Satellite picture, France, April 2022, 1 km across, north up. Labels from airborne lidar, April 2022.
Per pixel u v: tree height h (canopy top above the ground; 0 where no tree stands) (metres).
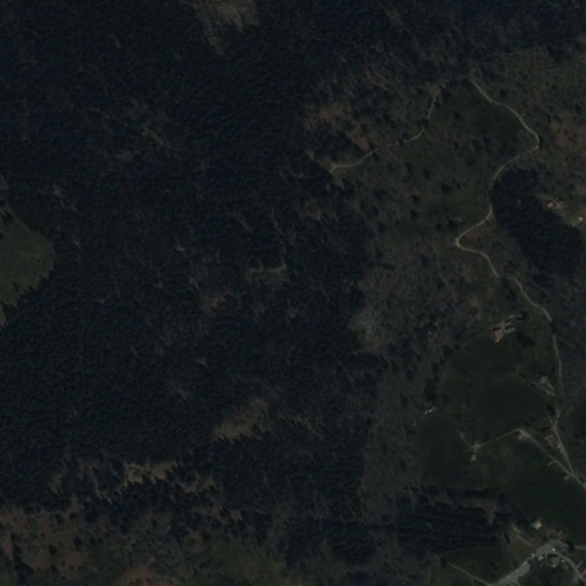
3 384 23
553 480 0
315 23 21
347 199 14
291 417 22
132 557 14
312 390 26
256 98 29
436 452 0
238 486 17
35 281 0
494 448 0
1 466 20
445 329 12
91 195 25
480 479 0
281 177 24
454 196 0
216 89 24
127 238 18
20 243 0
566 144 0
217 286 25
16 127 20
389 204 14
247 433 0
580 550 0
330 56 19
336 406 22
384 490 21
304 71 18
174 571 10
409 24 18
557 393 8
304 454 21
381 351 0
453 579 0
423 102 10
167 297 24
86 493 24
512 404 0
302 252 17
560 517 0
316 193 29
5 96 23
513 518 11
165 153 6
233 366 29
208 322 26
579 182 0
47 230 21
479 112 0
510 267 13
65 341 21
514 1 26
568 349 7
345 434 26
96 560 0
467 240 8
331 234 25
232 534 19
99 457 19
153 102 13
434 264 18
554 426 0
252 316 16
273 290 12
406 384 16
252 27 10
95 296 23
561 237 31
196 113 34
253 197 26
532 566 15
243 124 28
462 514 8
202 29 20
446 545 24
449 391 0
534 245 30
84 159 22
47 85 17
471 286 0
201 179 29
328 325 27
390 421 8
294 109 27
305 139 22
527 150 11
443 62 19
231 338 16
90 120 18
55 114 26
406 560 23
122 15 24
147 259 24
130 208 24
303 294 27
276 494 19
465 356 0
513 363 0
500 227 10
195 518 13
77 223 20
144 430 22
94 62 17
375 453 17
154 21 22
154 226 17
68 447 20
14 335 23
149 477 0
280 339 22
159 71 22
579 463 0
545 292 7
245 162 16
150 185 23
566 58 7
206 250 20
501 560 0
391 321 20
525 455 0
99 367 22
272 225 31
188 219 20
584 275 7
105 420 25
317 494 22
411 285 0
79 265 19
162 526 7
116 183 22
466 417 7
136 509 25
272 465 24
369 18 13
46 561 0
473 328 9
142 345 17
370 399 21
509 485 0
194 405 21
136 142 8
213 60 21
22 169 20
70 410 18
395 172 9
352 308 8
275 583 0
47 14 11
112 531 7
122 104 13
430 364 20
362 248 28
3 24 21
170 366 20
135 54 21
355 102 13
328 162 0
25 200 18
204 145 10
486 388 0
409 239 15
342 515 30
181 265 20
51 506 23
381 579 15
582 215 0
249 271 18
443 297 7
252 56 23
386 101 12
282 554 15
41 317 26
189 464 19
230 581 0
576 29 21
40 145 28
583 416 0
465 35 17
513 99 10
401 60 23
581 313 9
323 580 18
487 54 15
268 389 18
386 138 12
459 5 24
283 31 23
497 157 8
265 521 22
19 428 21
